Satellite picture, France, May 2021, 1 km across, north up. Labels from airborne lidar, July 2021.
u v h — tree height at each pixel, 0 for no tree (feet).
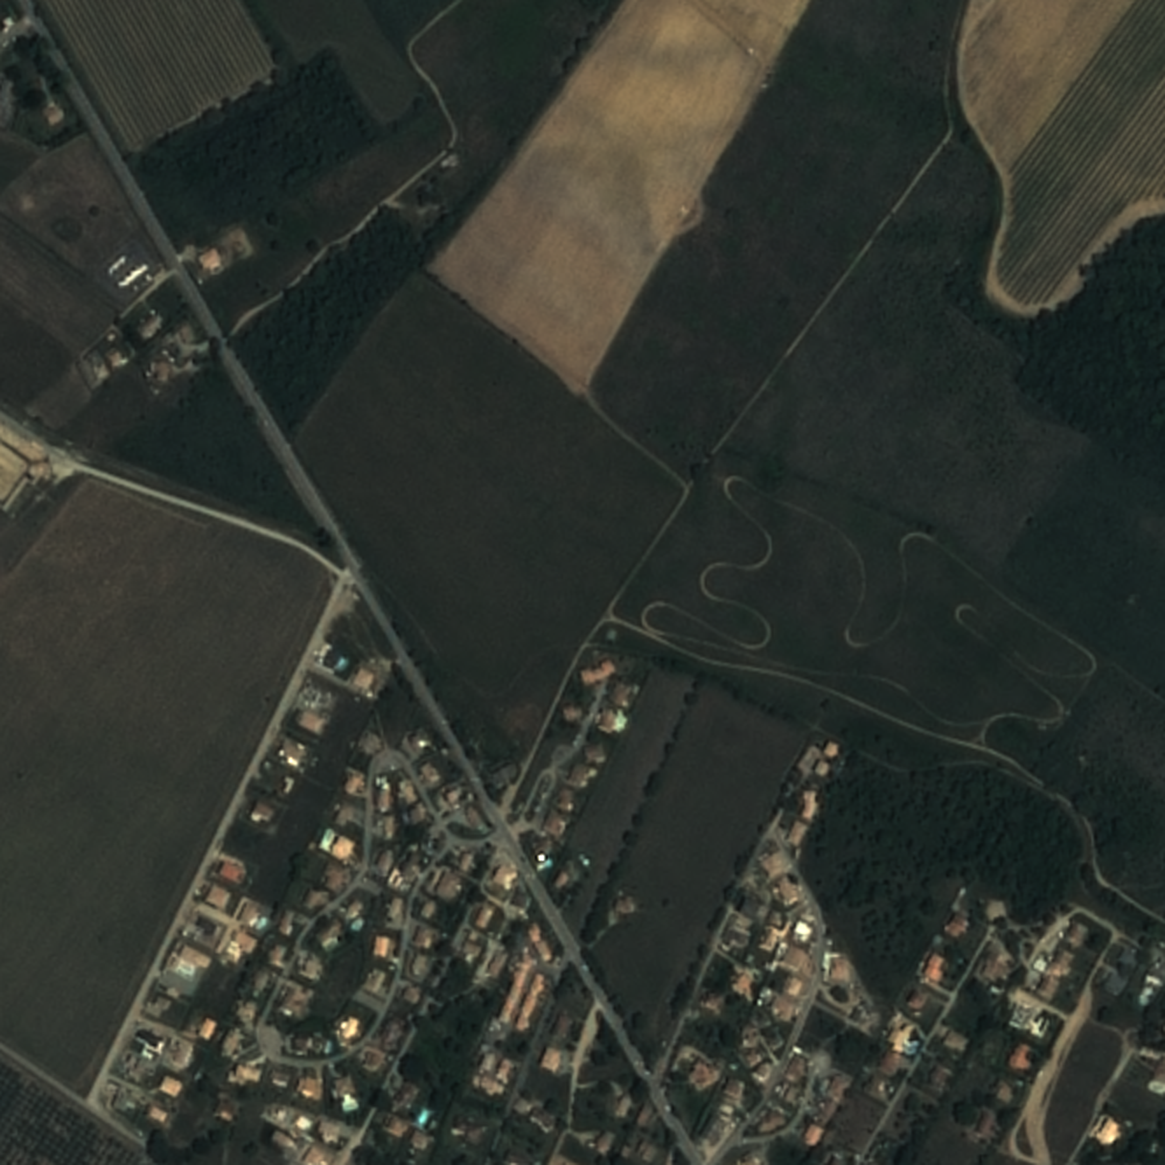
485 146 0
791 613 0
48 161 0
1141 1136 40
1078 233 0
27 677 0
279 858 0
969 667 0
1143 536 0
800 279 0
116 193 0
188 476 0
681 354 0
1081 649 0
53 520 0
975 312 32
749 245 0
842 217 0
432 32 0
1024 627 0
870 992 0
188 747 0
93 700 0
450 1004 28
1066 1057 0
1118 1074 0
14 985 0
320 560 0
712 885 0
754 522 0
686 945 0
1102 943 41
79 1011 0
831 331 0
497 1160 37
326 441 0
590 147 0
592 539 0
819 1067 0
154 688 0
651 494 0
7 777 0
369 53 0
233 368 0
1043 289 0
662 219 0
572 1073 0
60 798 0
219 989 0
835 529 0
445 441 0
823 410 0
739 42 0
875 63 0
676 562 0
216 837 0
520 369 0
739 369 0
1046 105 0
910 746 0
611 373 0
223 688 0
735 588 0
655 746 0
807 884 0
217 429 0
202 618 0
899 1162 48
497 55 0
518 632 0
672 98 0
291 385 27
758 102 0
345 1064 19
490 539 0
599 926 41
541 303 0
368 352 0
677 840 0
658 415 0
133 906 0
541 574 0
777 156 0
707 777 0
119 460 0
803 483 0
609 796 0
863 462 0
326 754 0
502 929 0
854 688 0
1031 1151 0
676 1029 0
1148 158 0
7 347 0
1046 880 22
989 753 0
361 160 0
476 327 0
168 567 0
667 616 0
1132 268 48
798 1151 23
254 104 38
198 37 0
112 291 0
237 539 0
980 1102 25
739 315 0
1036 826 24
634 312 0
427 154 0
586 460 0
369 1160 39
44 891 0
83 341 0
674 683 0
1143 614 0
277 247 29
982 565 0
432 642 0
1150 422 26
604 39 0
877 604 0
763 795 0
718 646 0
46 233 0
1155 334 32
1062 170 0
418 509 0
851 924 0
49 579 0
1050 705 0
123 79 0
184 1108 0
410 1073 52
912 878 19
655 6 0
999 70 0
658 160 0
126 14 0
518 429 0
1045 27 0
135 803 0
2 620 0
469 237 0
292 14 0
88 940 0
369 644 0
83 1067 0
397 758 0
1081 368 28
